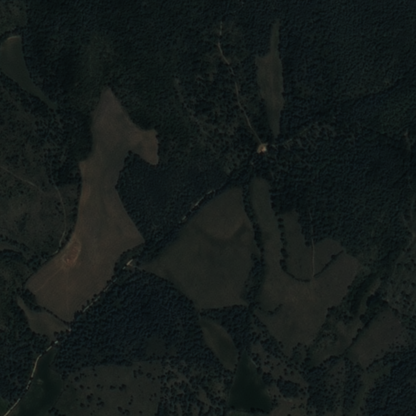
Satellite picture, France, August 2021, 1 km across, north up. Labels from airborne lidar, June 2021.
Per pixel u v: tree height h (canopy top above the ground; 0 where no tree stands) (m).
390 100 7
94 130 0
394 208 6
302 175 10
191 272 0
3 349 6
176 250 0
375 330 0
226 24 8
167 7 8
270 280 0
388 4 9
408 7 9
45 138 16
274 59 0
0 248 0
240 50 9
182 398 12
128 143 0
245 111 7
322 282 0
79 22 8
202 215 0
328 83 13
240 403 0
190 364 7
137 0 7
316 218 8
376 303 13
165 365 8
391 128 6
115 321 9
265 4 7
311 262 0
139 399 0
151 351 0
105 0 7
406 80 13
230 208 0
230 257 0
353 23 7
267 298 0
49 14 9
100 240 0
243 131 15
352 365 6
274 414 0
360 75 9
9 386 14
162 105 7
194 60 11
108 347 12
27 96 17
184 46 6
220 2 7
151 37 7
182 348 8
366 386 0
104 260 0
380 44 9
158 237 10
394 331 0
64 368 8
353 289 11
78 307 0
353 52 7
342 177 7
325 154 10
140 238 0
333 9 11
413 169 6
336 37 9
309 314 0
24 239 0
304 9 10
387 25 10
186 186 7
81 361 10
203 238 0
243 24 10
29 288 0
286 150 16
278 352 7
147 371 0
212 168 7
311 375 11
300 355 6
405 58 9
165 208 11
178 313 7
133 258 10
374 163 12
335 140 8
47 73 12
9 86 7
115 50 6
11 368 14
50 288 0
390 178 11
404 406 11
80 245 0
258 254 0
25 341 10
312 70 11
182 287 0
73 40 8
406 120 6
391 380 10
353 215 8
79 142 9
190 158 6
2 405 0
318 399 12
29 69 14
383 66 11
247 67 12
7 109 6
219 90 10
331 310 10
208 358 8
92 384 0
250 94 10
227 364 0
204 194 8
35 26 14
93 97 7
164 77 7
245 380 0
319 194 6
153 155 0
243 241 0
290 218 0
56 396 0
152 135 0
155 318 9
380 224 7
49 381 0
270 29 15
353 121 14
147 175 5
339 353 0
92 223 0
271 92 0
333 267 0
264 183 0
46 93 14
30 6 7
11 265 7
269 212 0
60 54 11
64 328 0
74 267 0
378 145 7
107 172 0
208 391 13
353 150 10
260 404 0
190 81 6
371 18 10
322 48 9
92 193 0
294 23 10
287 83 12
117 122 0
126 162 7
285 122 12
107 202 0
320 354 0
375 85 7
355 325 0
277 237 0
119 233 0
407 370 13
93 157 0
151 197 6
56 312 0
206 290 0
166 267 0
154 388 0
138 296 10
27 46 16
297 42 16
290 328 0
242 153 9
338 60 8
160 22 8
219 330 0
